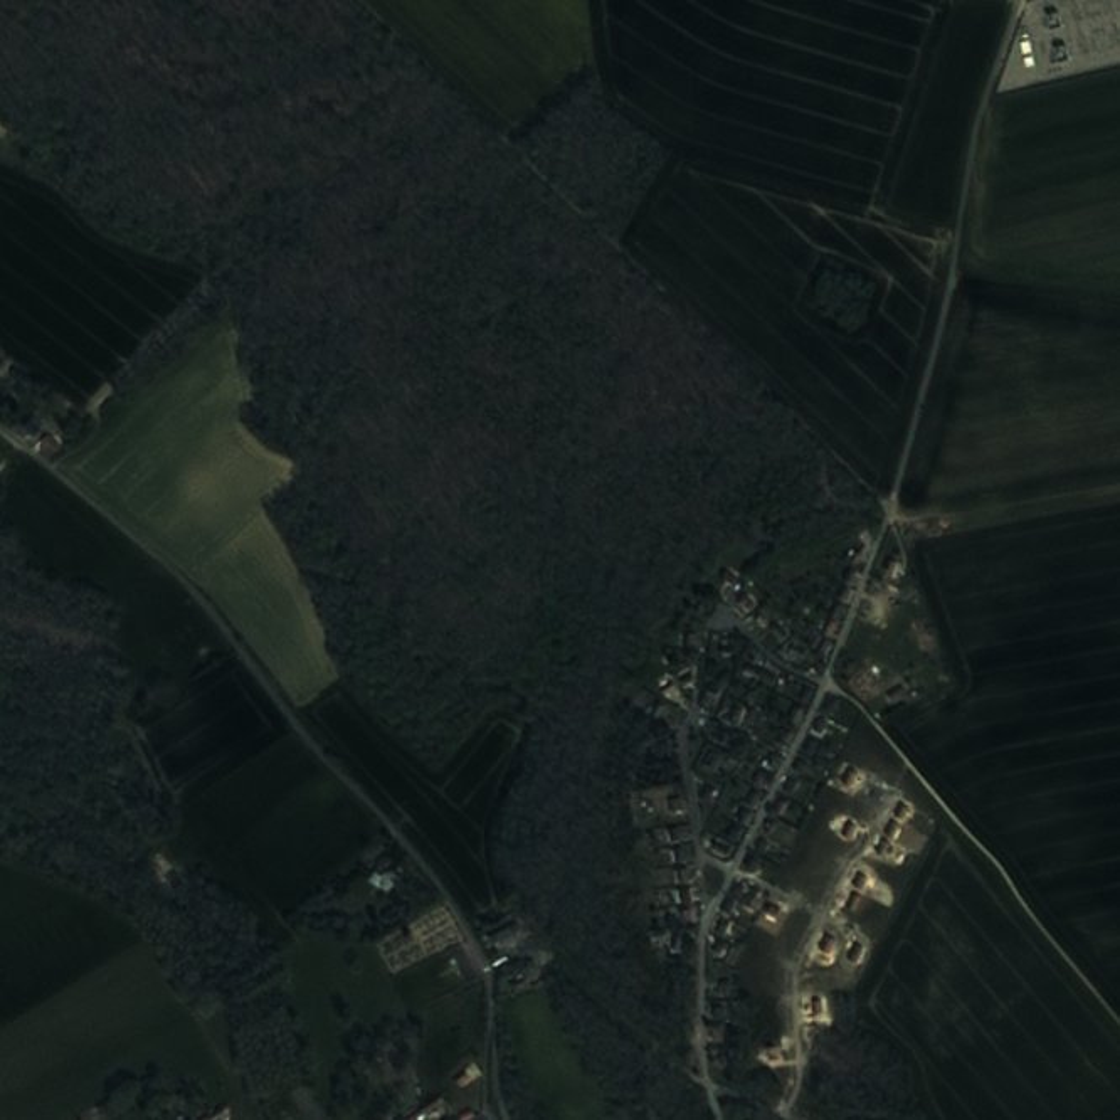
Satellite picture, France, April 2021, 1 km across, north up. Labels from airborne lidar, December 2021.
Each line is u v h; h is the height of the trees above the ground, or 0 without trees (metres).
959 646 0
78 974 0
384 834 7
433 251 11
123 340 0
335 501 24
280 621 0
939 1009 0
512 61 0
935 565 0
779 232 0
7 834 20
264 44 19
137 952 0
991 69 0
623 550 19
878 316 0
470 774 0
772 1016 0
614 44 0
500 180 17
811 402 0
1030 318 0
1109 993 0
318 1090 0
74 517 0
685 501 15
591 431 16
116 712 24
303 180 24
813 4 0
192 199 22
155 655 0
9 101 25
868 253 0
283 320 19
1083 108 0
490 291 18
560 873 18
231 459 0
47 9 18
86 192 19
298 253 23
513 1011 0
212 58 6
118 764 32
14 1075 0
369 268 15
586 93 23
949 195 0
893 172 0
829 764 9
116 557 0
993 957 0
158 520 0
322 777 0
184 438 0
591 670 20
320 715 0
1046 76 0
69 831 20
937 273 0
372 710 16
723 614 0
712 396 16
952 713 0
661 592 15
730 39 0
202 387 0
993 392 0
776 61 0
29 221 0
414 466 21
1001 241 0
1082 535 0
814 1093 19
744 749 12
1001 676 0
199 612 0
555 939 17
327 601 19
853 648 0
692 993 17
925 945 0
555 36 0
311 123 22
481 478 18
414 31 0
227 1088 0
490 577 24
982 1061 0
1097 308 0
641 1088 23
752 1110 19
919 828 0
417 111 16
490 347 12
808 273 0
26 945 0
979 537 0
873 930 0
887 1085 19
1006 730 0
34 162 20
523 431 16
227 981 24
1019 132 0
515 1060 8
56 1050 0
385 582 24
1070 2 0
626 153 19
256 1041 34
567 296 15
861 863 0
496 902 0
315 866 0
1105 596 0
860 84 0
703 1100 12
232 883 0
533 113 0
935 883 0
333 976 0
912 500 0
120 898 20
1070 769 0
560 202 19
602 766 10
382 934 11
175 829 31
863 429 0
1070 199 0
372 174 23
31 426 0
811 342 0
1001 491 0
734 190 0
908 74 0
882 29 0
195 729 0
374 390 21
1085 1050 0
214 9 16
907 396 0
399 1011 0
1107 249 0
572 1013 21
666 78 0
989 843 0
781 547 17
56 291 0
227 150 6
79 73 22
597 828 21
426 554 20
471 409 17
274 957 34
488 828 0
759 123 0
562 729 21
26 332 0
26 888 0
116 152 21
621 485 14
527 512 18
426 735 21
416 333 15
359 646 22
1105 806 0
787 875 0
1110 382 0
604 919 21
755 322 0
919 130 0
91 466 0
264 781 0
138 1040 0
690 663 15
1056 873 0
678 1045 18
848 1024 20
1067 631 0
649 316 14
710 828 0
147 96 22
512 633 19
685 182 0
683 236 0
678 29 0
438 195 13
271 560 0
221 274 11
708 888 0
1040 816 0
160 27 19
